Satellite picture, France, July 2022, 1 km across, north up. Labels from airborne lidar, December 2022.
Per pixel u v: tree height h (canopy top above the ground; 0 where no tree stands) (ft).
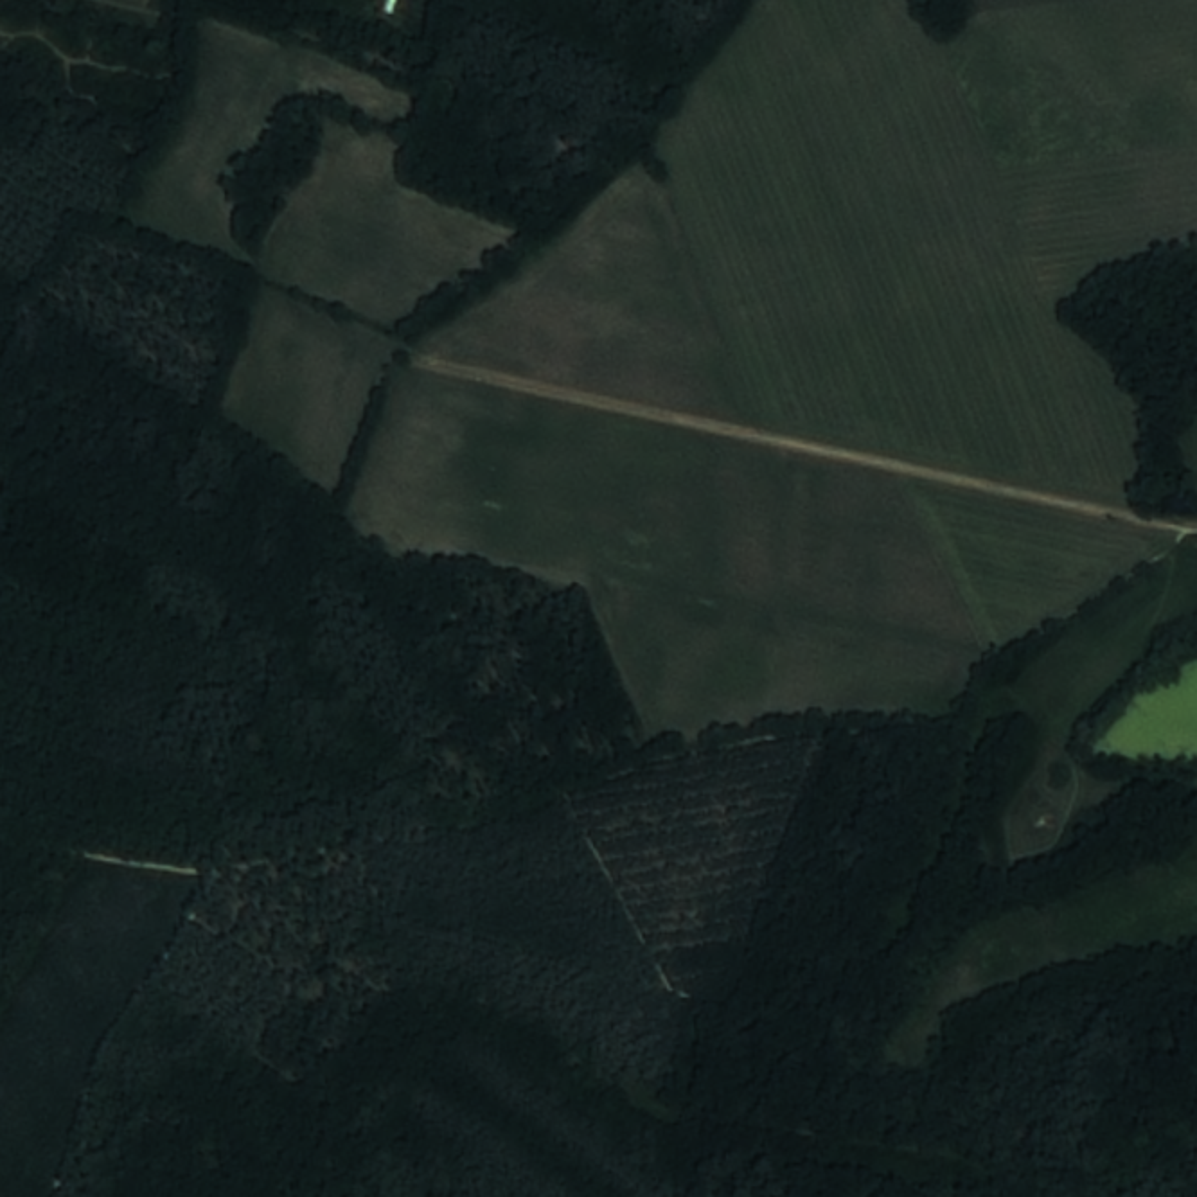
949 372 0
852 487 0
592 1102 30
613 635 0
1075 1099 81
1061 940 0
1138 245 0
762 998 51
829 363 0
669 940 32
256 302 75
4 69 51
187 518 65
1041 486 0
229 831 72
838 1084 79
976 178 0
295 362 0
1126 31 0
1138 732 0
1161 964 64
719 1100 65
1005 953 0
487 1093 61
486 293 57
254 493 76
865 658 0
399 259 0
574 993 51
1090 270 0
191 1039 69
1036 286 0
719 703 0
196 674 32
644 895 29
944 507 0
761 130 0
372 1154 71
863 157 0
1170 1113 64
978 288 0
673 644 0
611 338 0
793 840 52
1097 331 75
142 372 42
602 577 0
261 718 70
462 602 91
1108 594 18
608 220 0
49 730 66
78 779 61
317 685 79
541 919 39
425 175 80
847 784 43
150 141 38
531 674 81
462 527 0
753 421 0
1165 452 75
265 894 65
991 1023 46
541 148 82
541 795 42
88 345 77
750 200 0
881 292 0
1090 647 0
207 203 0
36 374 93
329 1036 77
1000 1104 63
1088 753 31
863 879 92
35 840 67
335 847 37
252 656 79
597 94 88
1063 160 0
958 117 0
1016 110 0
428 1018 52
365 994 74
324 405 0
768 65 0
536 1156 58
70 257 69
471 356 0
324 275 0
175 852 56
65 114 73
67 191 56
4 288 50
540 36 19
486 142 82
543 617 69
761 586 0
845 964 82
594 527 0
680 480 0
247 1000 73
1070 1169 76
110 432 43
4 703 67
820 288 0
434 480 0
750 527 0
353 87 0
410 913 38
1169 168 0
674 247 0
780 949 59
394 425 0
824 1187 78
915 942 73
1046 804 0
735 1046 71
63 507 65
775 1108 77
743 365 0
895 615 0
